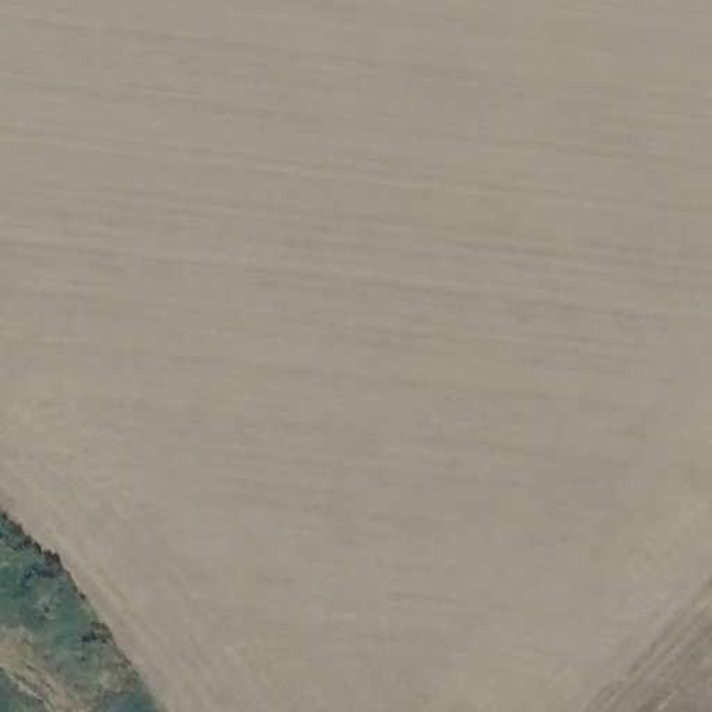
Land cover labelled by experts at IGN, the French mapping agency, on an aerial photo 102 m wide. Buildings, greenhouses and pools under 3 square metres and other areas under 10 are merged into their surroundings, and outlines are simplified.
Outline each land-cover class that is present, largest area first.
<instances>
[{"label":"plowed land","instance_id":"1","mask_svg":"<svg viewBox=\"0 0 712 712\"><path fill-rule=\"evenodd\" d=\"M0 509L14 523H19L31 540L58 553L64 570L86 595L89 609L97 615V620L108 626L114 642L134 662L159 712H587V706L609 681H626L629 665L648 648V642L665 629V623L712 576V0H0Z\"/></svg>","mask_w":712,"mask_h":712},{"label":"brushwood","instance_id":"2","mask_svg":"<svg viewBox=\"0 0 712 712\"><path fill-rule=\"evenodd\" d=\"M42 556L36 551L6 548V542H0V629L25 626V637L45 642V654L61 662L58 679L64 681V687L81 693L92 712H159L134 662L114 642L108 626L97 620V615L89 609L86 595L64 570L56 579L31 581L22 573L31 565H39ZM0 712H50L42 701L19 693L0 670Z\"/></svg>","mask_w":712,"mask_h":712},{"label":"agricultural land","instance_id":"3","mask_svg":"<svg viewBox=\"0 0 712 712\"><path fill-rule=\"evenodd\" d=\"M587 712H712V576L665 623V629L648 642V648L629 665L626 681H609L587 706Z\"/></svg>","mask_w":712,"mask_h":712},{"label":"pervious surface","instance_id":"4","mask_svg":"<svg viewBox=\"0 0 712 712\"><path fill-rule=\"evenodd\" d=\"M25 626L0 629V670L19 693L42 701L50 712H92L81 693L64 687V681L58 679L61 662L45 654V642L25 637Z\"/></svg>","mask_w":712,"mask_h":712},{"label":"deciduous trees","instance_id":"5","mask_svg":"<svg viewBox=\"0 0 712 712\"><path fill-rule=\"evenodd\" d=\"M0 542H6V548L36 551L42 556L39 565H31L22 573L31 581L56 579L64 570L58 553L31 540L19 523H14L0 509Z\"/></svg>","mask_w":712,"mask_h":712}]
</instances>
